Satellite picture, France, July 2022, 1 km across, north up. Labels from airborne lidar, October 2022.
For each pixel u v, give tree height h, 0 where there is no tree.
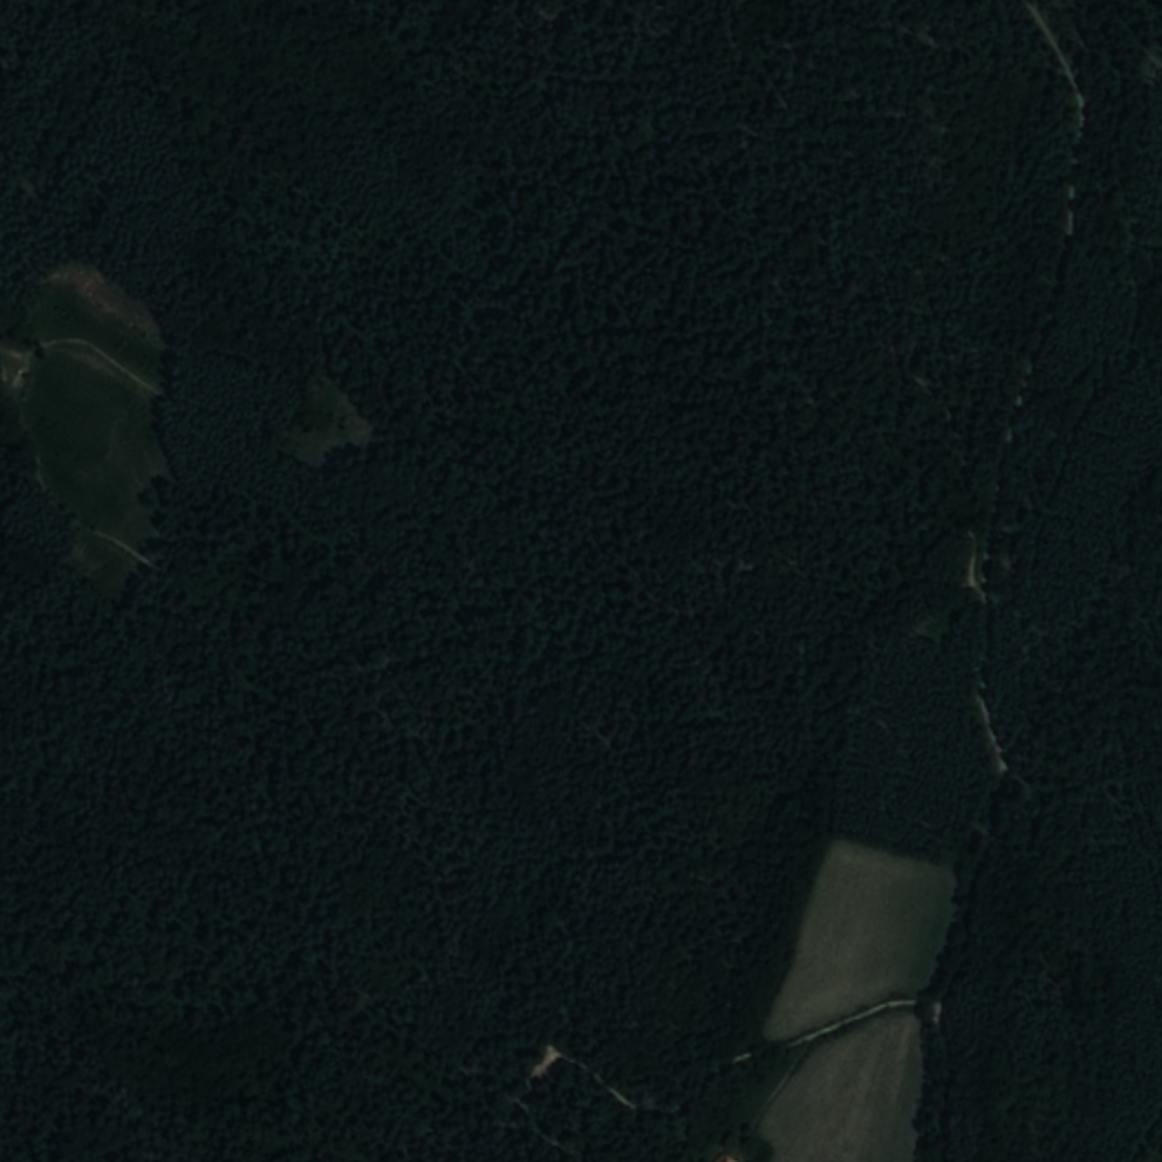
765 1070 8
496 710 22
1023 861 24
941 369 31
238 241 26
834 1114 0
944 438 21
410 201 29
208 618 29
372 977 25
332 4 9
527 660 32
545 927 27
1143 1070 22
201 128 27
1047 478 24
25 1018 26
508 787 32
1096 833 23
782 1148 0
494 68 13
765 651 21
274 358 26
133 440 0
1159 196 33
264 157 23
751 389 10
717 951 22
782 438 25
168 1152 25
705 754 28
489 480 36
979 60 20
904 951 0
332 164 21
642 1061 14
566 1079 29
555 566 33
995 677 26
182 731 19
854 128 23
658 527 18
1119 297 22
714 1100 23
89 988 26
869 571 34
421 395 28
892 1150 0
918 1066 0
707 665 24
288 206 6
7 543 22
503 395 21
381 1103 21
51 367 0
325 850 11
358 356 27
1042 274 26
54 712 28
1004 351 25
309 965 32
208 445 24
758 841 18
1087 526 19
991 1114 15
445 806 25
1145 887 25
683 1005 19
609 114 8
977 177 22
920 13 23
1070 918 22
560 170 18
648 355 26
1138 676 14
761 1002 20
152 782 19
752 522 26
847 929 0
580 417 18
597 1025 8
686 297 18
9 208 28
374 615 18
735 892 15
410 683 24
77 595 23
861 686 26
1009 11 28
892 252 17
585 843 21
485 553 22
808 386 21
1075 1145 16
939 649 24
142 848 30
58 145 20
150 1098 11
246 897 29
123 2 18
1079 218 14
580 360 28
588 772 24
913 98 16
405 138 30
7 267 27
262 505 25
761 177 29
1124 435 22
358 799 7
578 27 27
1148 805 21
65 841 20
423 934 11
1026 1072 11
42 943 26
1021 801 27
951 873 0
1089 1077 22
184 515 10
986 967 19
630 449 16
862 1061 0
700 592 24
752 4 10
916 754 26
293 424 8
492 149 25
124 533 0
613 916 21
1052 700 22
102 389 0
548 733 26
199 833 26
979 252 23
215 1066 15
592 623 21
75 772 15
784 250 11
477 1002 34
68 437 0
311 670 9
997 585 23
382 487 25
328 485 28
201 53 14
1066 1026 25
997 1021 20
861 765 19
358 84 13
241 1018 13
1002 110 22
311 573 30
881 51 19
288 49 13
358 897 20
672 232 14
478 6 7
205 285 28
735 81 10
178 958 26
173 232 28
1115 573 12
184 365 30
